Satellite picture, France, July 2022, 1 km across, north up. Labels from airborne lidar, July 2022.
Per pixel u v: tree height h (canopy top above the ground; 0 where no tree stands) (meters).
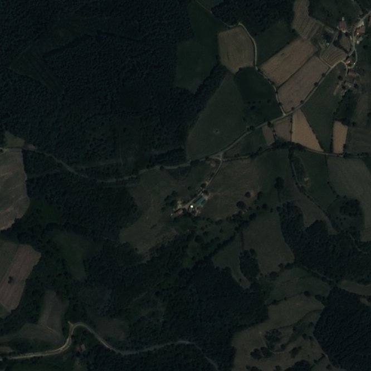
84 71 23
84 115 11
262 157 0
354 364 10
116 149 10
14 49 31
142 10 18
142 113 18
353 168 0
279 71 0
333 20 0
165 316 8
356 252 7
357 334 18
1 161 0
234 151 0
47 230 16
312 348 0
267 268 0
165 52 30
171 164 23
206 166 0
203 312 11
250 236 0
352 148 0
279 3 11
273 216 0
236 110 0
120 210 7
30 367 0
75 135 9
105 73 27
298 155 0
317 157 0
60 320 0
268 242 0
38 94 22
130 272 15
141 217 0
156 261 17
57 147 17
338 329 16
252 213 0
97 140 11
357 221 0
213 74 16
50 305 0
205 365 10
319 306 0
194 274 24
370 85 0
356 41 0
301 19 0
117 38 23
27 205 0
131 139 0
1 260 0
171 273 10
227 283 11
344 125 13
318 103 0
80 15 13
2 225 0
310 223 0
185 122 17
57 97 14
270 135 0
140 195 0
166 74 26
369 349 11
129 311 11
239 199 0
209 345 6
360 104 0
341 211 11
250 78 0
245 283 0
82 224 8
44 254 7
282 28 0
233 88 0
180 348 15
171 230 0
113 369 20
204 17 0
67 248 0
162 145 13
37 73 0
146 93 15
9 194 0
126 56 29
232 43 0
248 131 9
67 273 15
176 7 23
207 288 15
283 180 13
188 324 22
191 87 0
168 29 31
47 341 0
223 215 0
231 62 0
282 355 0
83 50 28
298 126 0
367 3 0
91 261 10
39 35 13
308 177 0
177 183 0
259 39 0
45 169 18
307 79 0
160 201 0
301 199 0
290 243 9
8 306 0
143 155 0
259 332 0
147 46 27
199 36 0
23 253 0
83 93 16
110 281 10
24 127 19
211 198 0
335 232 0
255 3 6
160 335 14
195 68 0
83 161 7
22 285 0
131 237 0
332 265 7
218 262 0
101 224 8
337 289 16
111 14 18
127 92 17
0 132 28
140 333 6
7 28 16
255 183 0
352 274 7
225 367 13
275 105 0
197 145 0
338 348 11
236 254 0
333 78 0
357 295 10
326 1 0
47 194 12
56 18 26
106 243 14
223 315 16
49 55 24
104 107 13
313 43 0
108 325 0
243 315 14
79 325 0
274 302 13
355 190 0
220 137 0
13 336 0
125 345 8
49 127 7
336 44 13
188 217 13
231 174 0
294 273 0
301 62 0
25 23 18
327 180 0
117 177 10
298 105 0
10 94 18
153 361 9
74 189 12
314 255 11
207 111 0
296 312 0
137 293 12
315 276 12
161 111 13
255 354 14
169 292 6
